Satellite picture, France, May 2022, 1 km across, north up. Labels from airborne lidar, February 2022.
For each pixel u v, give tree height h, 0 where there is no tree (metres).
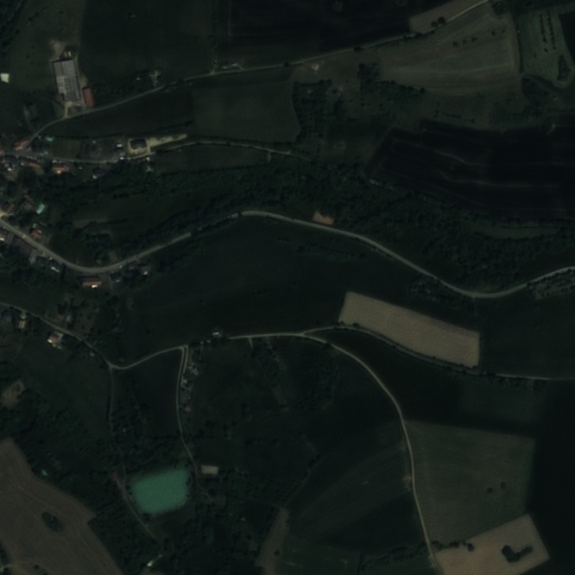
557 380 0
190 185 8
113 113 0
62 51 0
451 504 0
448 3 0
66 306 7
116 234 0
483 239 14
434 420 0
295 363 0
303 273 0
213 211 18
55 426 8
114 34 0
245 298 0
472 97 0
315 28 0
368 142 0
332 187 11
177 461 6
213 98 0
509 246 16
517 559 8
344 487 0
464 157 0
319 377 7
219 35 0
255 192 9
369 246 6
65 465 0
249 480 8
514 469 0
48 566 0
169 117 0
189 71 0
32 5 0
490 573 0
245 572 0
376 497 0
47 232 0
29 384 0
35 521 0
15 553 0
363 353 0
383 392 0
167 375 0
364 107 6
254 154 0
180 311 0
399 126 0
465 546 6
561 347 0
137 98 0
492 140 0
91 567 0
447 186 0
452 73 0
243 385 0
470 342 0
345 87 0
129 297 0
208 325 0
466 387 0
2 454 0
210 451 0
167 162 0
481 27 0
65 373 0
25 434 12
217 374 0
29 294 0
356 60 0
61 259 0
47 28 0
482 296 0
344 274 0
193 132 0
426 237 0
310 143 0
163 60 0
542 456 0
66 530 0
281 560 0
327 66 0
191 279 0
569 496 0
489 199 0
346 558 0
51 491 0
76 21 0
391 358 0
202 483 0
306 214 0
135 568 9
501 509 0
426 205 8
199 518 6
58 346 0
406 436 0
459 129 0
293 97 7
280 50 0
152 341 0
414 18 0
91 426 0
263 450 0
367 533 0
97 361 6
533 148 0
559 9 0
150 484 0
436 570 0
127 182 16
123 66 0
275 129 0
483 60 0
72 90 0
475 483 0
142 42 0
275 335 0
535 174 0
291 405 0
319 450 0
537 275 0
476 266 14
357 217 0
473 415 0
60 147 0
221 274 0
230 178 9
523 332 0
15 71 0
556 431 0
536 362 0
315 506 0
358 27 0
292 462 0
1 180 17
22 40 0
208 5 0
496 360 0
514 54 0
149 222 0
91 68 0
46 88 0
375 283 0
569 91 0
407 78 0
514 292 0
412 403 0
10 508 0
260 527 0
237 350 0
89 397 0
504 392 0
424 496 0
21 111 0
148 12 0
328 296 0
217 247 0
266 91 0
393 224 17
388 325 0
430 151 0
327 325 0
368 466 0
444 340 0
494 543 0
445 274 0
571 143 0
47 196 11
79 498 7
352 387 0
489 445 0
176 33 0
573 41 0
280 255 0
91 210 0
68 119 0
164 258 0
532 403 0
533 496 0
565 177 0
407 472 0
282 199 15
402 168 0
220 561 0
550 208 0
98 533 5
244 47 0
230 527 6
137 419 12
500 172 0
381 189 8
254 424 0
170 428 0
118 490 13
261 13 0
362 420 0
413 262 0
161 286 0
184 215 7
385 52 0
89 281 0
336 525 0
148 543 7
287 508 0
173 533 0
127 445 9
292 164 7
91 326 0
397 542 0
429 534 0
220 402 0
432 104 0
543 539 0
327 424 0
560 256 0
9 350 0
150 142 0
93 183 7
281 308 0
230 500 8
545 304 0
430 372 0
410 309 0
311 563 0
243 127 0
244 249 0
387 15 0
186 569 0
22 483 0
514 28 0
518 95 0
